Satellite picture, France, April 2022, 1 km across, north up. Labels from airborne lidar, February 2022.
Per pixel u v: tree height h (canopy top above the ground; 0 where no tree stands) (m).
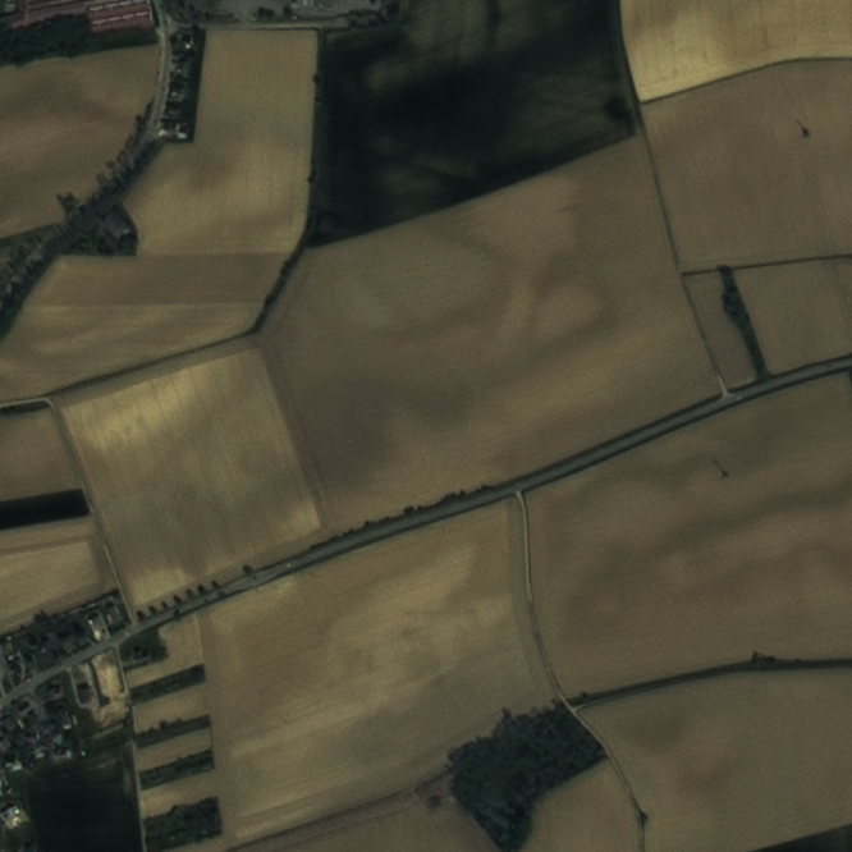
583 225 0
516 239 0
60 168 0
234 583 0
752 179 0
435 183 0
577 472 0
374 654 0
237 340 0
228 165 0
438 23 0
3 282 14
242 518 0
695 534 0
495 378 0
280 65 0
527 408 0
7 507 0
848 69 0
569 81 0
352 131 0
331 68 0
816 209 0
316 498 0
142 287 0
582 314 0
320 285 0
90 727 0
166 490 0
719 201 0
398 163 0
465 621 0
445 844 0
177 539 0
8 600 0
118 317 0
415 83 0
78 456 0
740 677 0
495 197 0
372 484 0
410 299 0
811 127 0
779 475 0
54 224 0
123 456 0
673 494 0
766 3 0
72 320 0
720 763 0
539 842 0
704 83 0
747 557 0
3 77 0
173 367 0
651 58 0
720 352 0
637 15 0
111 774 0
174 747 0
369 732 0
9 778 0
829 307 0
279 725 0
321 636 0
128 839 0
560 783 12
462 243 0
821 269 0
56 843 0
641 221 0
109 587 0
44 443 0
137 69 0
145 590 0
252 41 0
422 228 0
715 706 0
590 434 0
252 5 0
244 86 0
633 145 0
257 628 0
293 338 0
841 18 0
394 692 0
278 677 0
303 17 0
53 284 0
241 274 0
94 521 0
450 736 0
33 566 0
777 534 0
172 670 0
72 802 0
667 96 0
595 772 0
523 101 0
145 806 0
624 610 0
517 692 0
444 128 0
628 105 0
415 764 0
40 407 0
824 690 0
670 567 0
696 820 0
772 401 0
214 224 0
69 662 0
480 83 0
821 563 0
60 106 0
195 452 0
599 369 0
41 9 0
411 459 0
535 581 0
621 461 0
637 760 0
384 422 0
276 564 0
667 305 0
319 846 0
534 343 0
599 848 0
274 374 0
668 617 0
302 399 0
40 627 8
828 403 0
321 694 0
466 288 0
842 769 0
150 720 0
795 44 0
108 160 0
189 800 0
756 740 0
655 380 0
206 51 0
